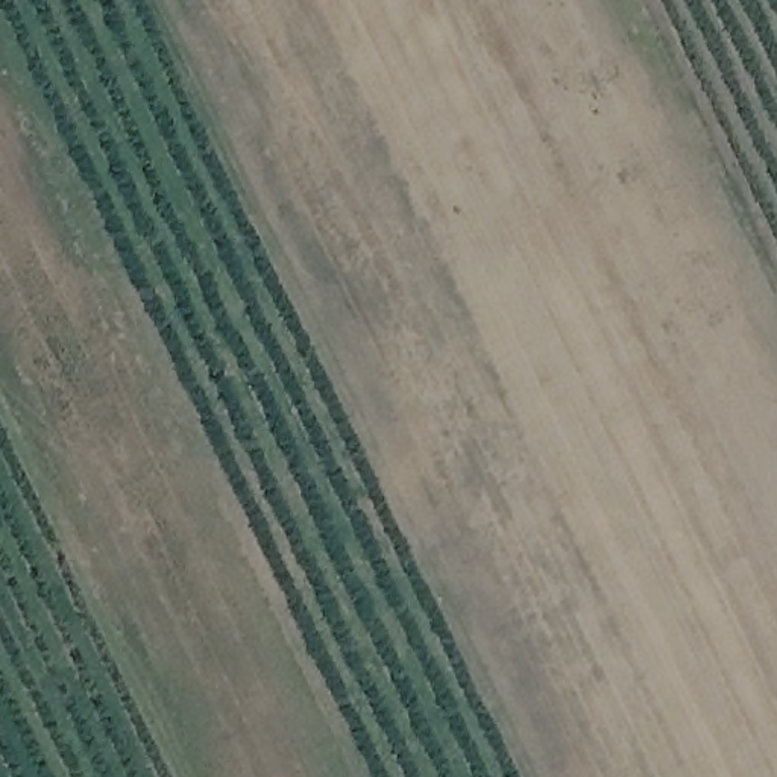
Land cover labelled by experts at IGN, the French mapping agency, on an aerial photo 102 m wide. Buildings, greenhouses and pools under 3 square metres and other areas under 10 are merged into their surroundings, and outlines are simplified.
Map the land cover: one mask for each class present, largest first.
<instances>
[{"label":"agricultural land","instance_id":"1","mask_svg":"<svg viewBox=\"0 0 777 777\"><path fill-rule=\"evenodd\" d=\"M155 21L164 30L167 49L173 55L191 109L200 118L209 146L222 161L240 197V206L249 225L255 228L261 249L273 264L279 285L285 288L310 337V346L316 349L343 404V413L349 416L361 440V449L379 480L389 510L410 543L413 562L422 580L428 583L446 619V628L455 637V646L464 656L473 689L483 698L489 716L495 719L519 777H777V237L771 234L762 206L750 191L747 176L741 173L728 149L722 127L716 124L707 94L701 91L692 73L680 33L671 24L662 0H155ZM0 777H370L367 762L355 750L352 731L343 713L337 710V701L325 677L307 653L304 634L285 604V595L212 452V443L200 425V413L194 410L188 392L176 376L170 352L140 300V291L131 285L121 267V258L97 209V200L91 188L82 182L55 127L52 112L46 109L39 88L27 73V61L15 42L12 24L6 21L0 3ZM185 358L209 398V407L225 431V440L240 464V473L246 477V486L273 534V543L294 586L300 589L310 580L291 552L285 528L279 525L252 467V458L234 431L231 413L219 398L215 382L209 379L206 361L194 346L185 352ZM273 477L282 498L291 507V516H297L307 510V501L288 470V461H282L273 467Z\"/></svg>","mask_w":777,"mask_h":777},{"label":"deciduous trees","instance_id":"2","mask_svg":"<svg viewBox=\"0 0 777 777\"><path fill-rule=\"evenodd\" d=\"M0 3L6 21L12 24L15 42L27 61V73L39 88L46 109L52 112L55 127L82 182L91 188L97 200V209L121 258V267L131 285L140 291V300L170 352L176 376L188 392L194 410L200 413V425L212 443V452L285 595V604L304 634L307 653L325 677L337 701V710L343 713L352 731L355 750L367 762L370 777H519L495 719L489 716L483 698L473 689L464 656L455 646V637L446 628V619L428 583L422 580L413 562L410 543L389 510L379 480L361 449V440L349 416L343 413V404L316 349L310 346V337L285 288L279 285L273 264L261 249L255 228L249 225L240 206V197L222 161L209 146L200 118L191 109L173 55L167 49L164 30L155 21V0H0ZM194 346L206 361L209 379L215 382L219 398L231 413L234 431L252 458V467L279 525L285 528L291 552L310 580L300 589L294 586L273 543V534L246 486V477L240 473V464L225 440V431L209 407V398L185 358V352ZM282 461H288V470L307 501V510L297 516H291V507L282 498L273 477V467ZM671 24L680 33L692 73L701 91L707 94L716 124L722 127L728 149L741 173L747 176L750 191L762 206L771 234L777 237V0H662Z\"/></svg>","mask_w":777,"mask_h":777}]
</instances>
